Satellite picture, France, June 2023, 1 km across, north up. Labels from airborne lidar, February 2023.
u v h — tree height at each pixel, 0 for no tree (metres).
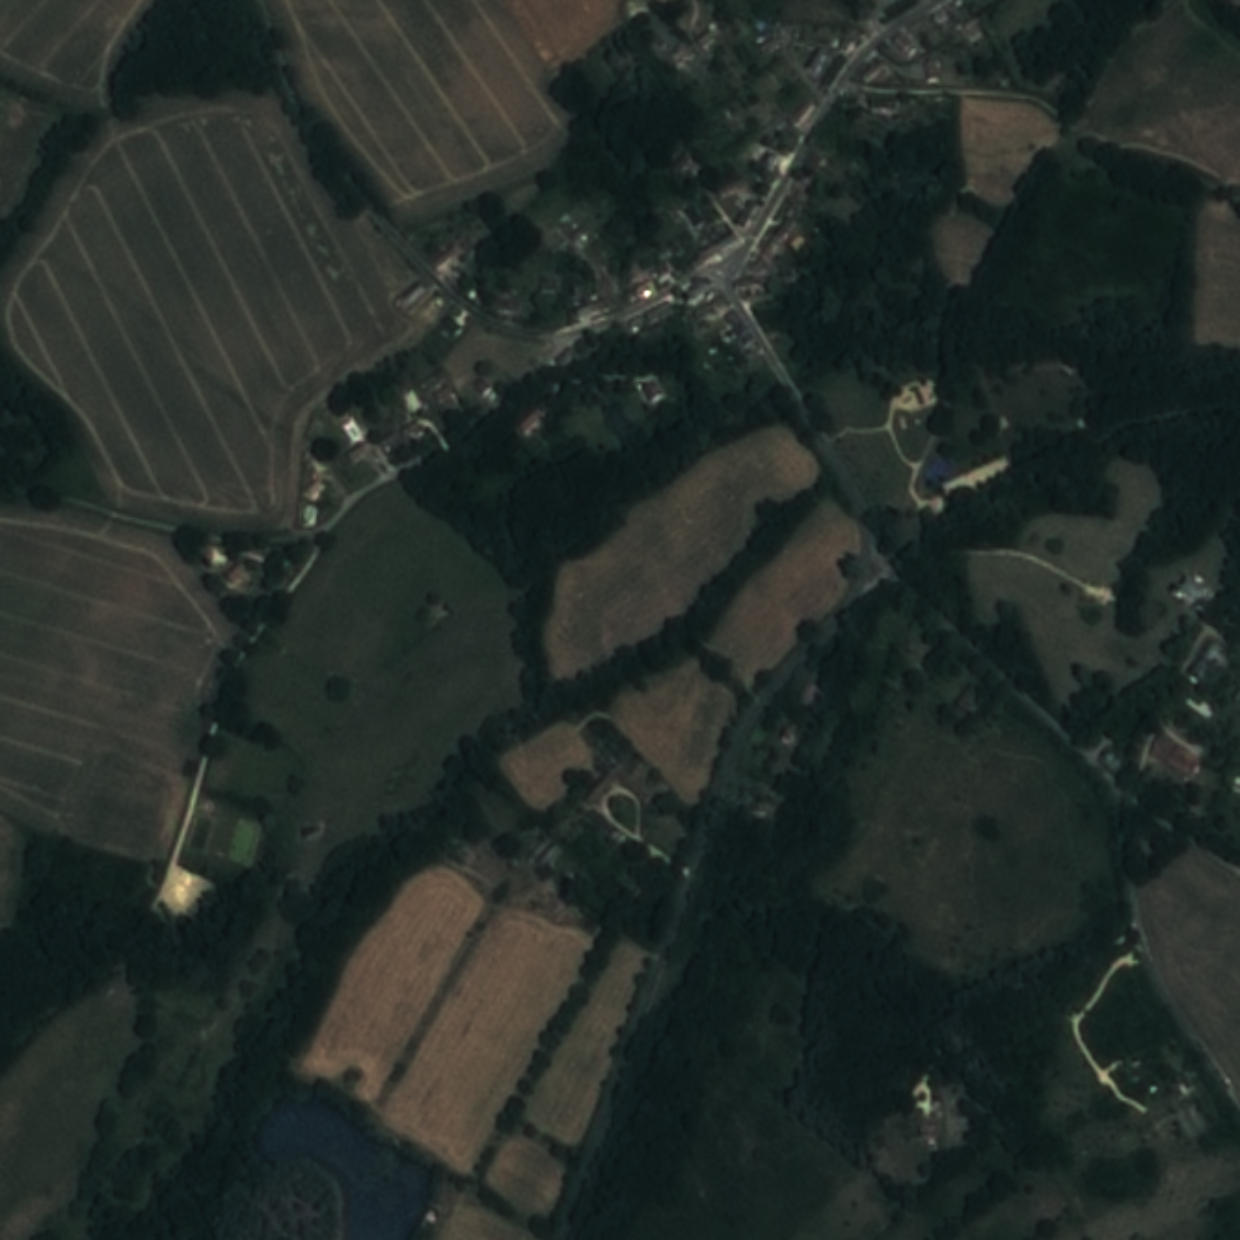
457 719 0
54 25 0
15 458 16
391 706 0
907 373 18
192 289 0
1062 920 0
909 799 0
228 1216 25
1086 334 17
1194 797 7
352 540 0
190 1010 0
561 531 19
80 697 0
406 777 0
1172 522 20
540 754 0
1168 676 16
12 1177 0
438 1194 11
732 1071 0
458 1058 0
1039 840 0
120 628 0
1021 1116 16
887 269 19
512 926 0
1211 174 0
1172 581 0
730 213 0
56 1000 21
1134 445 14
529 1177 0
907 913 0
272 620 16
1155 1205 0
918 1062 20
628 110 19
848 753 6
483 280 9
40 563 0
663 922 16
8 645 0
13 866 0
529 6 0
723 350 6
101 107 0
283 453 0
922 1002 15
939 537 18
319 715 0
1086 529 0
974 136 0
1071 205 0
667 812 25
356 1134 0
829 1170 0
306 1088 8
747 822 12
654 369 13
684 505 0
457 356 0
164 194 0
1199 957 0
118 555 0
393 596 0
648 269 10
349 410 11
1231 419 19
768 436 0
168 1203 21
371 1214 0
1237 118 0
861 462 0
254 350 0
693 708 0
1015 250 20
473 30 0
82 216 0
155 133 0
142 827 0
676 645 23
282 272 0
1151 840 15
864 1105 17
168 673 0
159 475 0
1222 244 0
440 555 0
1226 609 19
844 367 18
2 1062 20
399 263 0
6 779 0
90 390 0
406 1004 0
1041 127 0
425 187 0
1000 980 18
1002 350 19
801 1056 0
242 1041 8
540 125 0
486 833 7
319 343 0
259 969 7
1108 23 26
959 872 0
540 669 9
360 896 18
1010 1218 0
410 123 0
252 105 0
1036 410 0
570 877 0
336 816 0
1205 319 0
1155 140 0
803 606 0
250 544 18
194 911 0
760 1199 0
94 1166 11
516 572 20
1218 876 0
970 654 12
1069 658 0
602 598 0
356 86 0
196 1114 0
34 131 0
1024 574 0
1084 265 0
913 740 0
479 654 0
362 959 0
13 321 0
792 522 16
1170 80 0
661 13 10
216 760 16
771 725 10
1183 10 0
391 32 0
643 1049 10
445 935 0
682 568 0
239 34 20
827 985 19
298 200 0
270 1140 0
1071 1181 0
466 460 21
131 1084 15
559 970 0
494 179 0
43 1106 0
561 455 8
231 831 0
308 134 13
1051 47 20
